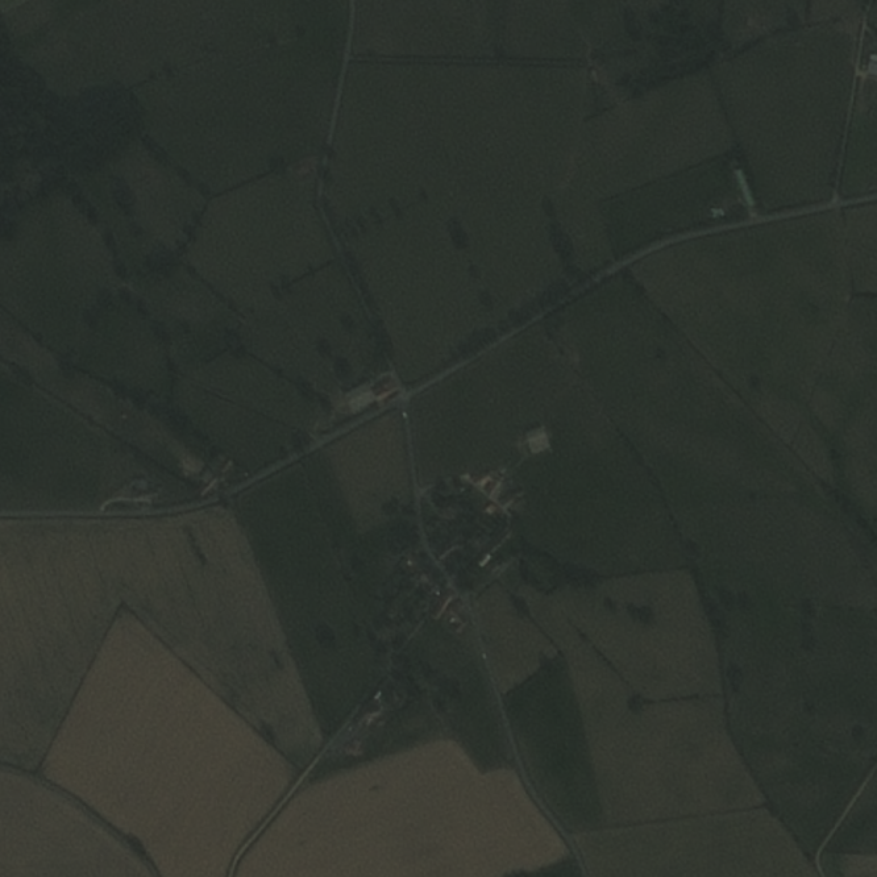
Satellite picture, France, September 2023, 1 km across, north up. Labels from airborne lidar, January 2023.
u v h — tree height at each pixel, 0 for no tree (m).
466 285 0
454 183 0
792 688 0
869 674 0
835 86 0
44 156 32
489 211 0
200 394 0
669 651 0
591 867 0
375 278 0
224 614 0
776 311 0
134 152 0
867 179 0
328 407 13
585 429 0
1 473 0
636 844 0
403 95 0
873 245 0
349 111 0
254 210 0
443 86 0
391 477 0
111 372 0
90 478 0
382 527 0
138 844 12
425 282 0
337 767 0
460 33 0
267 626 0
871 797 0
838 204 0
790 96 0
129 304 13
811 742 0
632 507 0
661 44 8
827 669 0
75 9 0
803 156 0
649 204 0
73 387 0
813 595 0
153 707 0
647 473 6
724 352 0
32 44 0
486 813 0
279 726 0
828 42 0
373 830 0
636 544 0
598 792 0
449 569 14
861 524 10
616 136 0
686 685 0
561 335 0
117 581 0
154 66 0
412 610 9
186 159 0
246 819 0
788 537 0
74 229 0
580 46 0
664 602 0
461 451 0
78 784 0
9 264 0
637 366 0
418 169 0
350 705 0
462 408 0
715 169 0
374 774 0
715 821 0
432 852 0
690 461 0
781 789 0
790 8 0
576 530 0
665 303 0
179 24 0
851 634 0
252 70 0
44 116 17
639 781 0
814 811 0
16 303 0
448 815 0
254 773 0
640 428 0
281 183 0
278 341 0
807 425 0
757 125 0
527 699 0
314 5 0
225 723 0
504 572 0
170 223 0
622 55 0
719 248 0
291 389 0
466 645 0
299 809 0
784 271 0
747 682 0
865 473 0
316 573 0
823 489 8
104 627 0
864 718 0
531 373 0
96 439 0
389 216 0
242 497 0
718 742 0
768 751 0
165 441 0
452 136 0
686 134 0
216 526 0
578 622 0
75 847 0
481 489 0
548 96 0
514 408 0
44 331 0
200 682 0
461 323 0
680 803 0
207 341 0
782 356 0
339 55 0
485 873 0
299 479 0
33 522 0
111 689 0
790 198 0
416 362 0
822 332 0
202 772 0
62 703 0
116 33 0
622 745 0
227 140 0
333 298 0
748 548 0
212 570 0
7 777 0
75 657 0
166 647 0
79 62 0
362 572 12
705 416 0
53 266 0
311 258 0
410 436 0
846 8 0
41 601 0
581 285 11
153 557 0
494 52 0
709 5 0
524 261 0
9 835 0
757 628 0
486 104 0
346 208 0
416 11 0
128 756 0
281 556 0
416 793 0
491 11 0
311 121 0
